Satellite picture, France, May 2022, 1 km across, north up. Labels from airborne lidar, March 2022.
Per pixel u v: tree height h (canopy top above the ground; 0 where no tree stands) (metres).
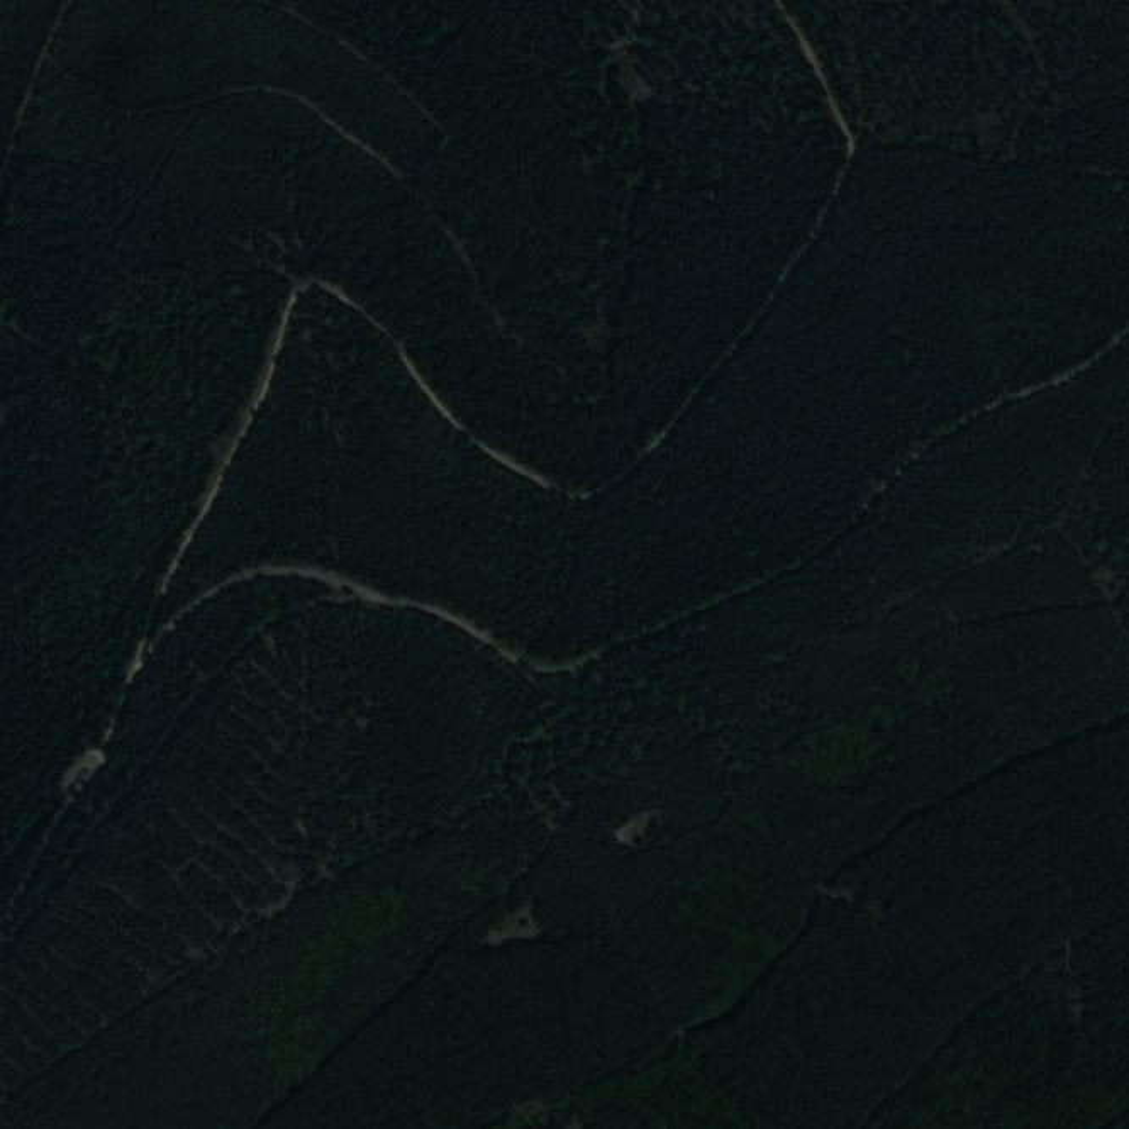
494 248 24
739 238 12
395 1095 17
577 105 26
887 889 22
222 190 9
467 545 13
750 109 14
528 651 18
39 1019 10
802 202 16
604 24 22
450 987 17
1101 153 15
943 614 7
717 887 17
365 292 22
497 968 19
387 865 11
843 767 14
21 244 18
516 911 11
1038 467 9
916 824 24
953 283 9
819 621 10
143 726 17
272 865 13
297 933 12
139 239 13
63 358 21
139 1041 11
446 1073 18
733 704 7
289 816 16
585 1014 12
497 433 21
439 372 21
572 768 8
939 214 16
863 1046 22
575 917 13
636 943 21
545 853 10
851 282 16
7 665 12
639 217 25
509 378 23
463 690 8
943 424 15
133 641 11
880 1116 19
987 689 12
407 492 9
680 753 11
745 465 13
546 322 25
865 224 16
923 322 13
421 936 11
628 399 8
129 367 12
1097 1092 18
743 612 11
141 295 6
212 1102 15
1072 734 12
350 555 12
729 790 13
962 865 22
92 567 8
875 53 8
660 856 16
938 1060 17
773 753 15
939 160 11
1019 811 23
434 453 8
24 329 18
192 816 15
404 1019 19
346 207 10
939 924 23
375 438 12
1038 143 12
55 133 8
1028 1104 20
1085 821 21
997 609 13
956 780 24
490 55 27
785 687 7
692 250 18
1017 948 25
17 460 20
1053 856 22
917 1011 24
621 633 16
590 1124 10
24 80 15
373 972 12
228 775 16
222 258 13
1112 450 12
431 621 10
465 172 23
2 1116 11
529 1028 18
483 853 11
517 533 13
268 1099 9
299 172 12
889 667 12
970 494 9
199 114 7
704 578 18
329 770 11
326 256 16
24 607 9
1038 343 6
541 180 27
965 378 14
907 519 13
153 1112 13
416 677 13
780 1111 24
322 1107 19
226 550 11
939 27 30
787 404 15
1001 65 7
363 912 12
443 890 11
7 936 20
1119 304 14
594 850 16
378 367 14
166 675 16
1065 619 13
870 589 10
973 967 22
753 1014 20
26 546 18
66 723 18
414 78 20
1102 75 25
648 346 10
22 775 16
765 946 17
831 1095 25
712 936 22
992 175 13
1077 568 13
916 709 15
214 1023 13
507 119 28
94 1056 11
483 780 11
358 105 10
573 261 22
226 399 11
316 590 12
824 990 22
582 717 13
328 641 12
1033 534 9
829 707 11
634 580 16
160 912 14
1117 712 14
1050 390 7
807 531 13
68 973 14
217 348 9
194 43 6
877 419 13
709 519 16
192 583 8
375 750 12
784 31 31
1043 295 10
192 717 14
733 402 18
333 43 9
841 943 22
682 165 15
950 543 10
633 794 8
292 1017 12
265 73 7
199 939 14
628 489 13
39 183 16
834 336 12
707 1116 15
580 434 23
